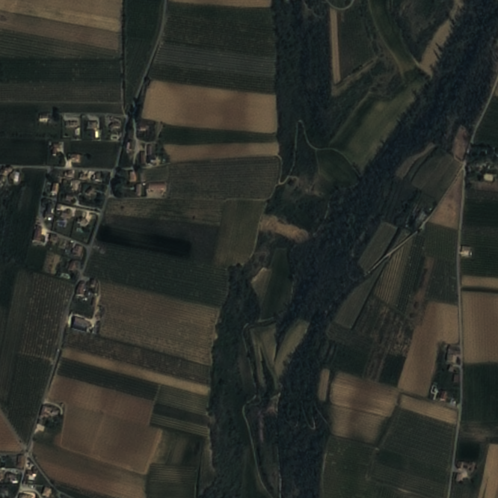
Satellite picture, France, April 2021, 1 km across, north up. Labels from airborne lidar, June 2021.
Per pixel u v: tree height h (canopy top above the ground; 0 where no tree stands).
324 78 13
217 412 12
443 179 0
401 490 0
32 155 0
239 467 9
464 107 20
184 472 0
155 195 0
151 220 0
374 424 0
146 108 0
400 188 0
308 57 19
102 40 0
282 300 0
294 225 7
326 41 13
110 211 0
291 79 17
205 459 0
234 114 0
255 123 0
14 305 0
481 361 0
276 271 0
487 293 0
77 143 0
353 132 0
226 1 0
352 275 15
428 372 0
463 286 0
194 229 0
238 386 14
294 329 0
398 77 8
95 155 0
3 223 7
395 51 0
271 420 16
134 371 0
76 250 0
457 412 0
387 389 0
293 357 12
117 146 0
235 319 13
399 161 13
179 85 0
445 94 20
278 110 13
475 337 0
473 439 0
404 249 0
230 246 0
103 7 0
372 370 0
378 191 11
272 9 12
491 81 14
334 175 0
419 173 0
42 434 0
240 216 0
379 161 17
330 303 10
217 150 0
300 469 9
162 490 0
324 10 6
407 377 0
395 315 0
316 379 11
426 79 11
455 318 0
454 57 24
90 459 0
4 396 0
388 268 0
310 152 9
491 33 15
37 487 0
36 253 0
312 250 16
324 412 11
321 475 10
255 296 17
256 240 0
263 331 0
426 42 15
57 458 0
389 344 0
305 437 12
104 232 0
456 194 0
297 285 6
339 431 0
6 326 0
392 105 0
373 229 15
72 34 0
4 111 0
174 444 0
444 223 0
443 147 17
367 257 0
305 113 22
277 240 8
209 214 0
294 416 12
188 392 0
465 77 20
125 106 0
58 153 10
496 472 0
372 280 0
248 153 0
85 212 0
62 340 0
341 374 0
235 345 15
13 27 0
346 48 0
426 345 0
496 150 8
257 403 6
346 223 19
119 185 17
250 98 0
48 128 0
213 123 0
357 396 0
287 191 0
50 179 9
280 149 7
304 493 8
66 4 0
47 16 0
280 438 11
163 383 0
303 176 0
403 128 18
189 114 0
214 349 10
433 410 0
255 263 7
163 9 0
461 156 0
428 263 0
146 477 0
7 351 0
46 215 0
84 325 0
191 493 0
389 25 0
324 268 17
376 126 0
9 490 6
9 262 8
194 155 0
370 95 0
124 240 0
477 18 18
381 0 0
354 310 0
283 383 14
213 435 11
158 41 0
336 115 10
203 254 0
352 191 17
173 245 0
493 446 0
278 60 11
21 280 0
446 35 0
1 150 0
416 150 12
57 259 0
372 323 0
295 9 21
